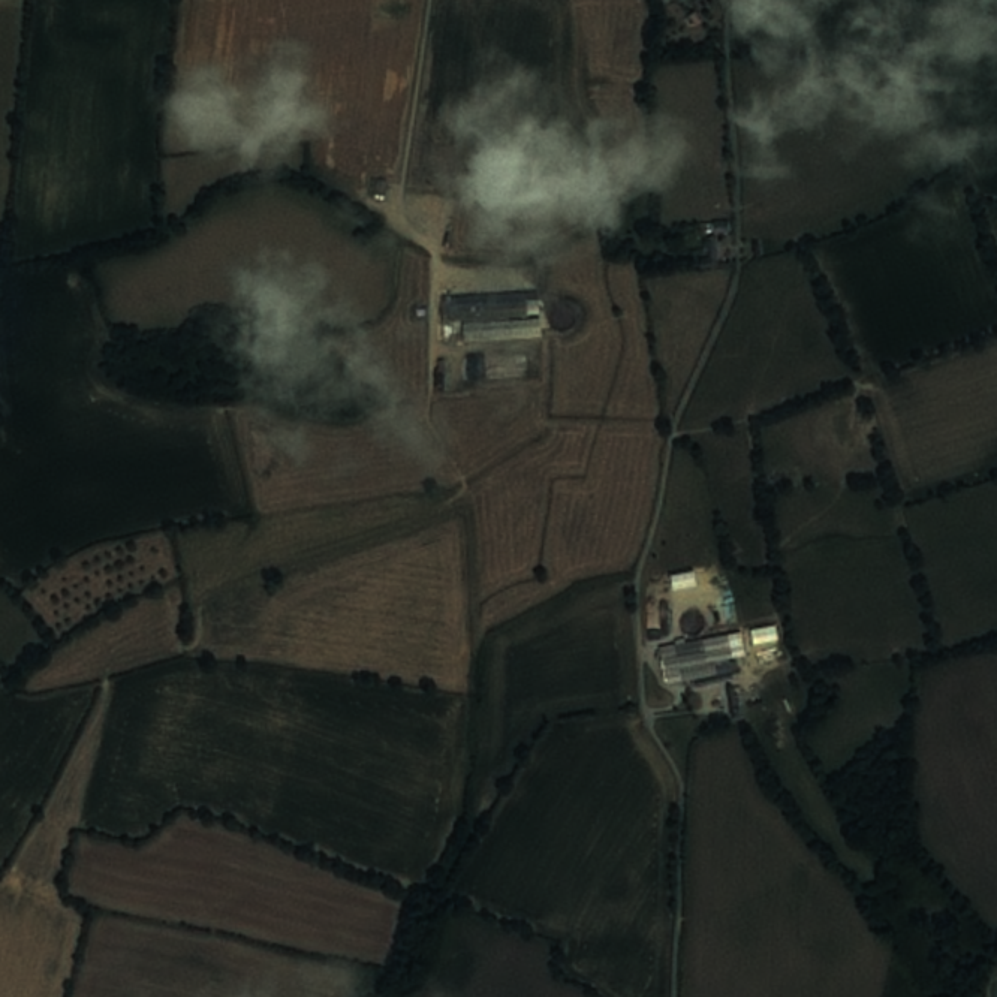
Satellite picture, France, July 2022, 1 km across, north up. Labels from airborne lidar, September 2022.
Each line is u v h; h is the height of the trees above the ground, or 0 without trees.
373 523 0
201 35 0
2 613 0
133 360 11
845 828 11
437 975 0
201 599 0
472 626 0
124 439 0
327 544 0
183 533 16
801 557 0
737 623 0
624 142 0
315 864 16
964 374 0
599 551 0
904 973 0
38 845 0
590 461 0
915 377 0
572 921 0
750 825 0
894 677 0
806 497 0
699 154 0
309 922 0
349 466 0
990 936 13
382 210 0
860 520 0
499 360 0
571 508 0
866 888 10
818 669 9
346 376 0
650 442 0
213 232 0
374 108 0
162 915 0
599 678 0
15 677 18
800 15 0
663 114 0
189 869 0
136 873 0
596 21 0
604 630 0
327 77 0
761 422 8
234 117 0
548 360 0
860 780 14
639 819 0
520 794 0
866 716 0
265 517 0
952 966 29
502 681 0
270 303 0
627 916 0
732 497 0
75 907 11
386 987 19
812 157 0
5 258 20
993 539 0
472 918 11
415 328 0
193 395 13
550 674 0
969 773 0
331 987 0
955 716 0
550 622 0
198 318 10
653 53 23
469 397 0
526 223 0
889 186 0
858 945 0
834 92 0
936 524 0
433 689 21
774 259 0
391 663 0
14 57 0
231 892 0
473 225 0
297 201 0
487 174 0
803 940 0
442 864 7
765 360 0
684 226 10
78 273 10
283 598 0
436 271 0
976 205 17
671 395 0
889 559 0
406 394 0
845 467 0
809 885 0
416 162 0
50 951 0
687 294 0
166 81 19
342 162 0
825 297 19
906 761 19
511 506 0
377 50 0
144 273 0
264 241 0
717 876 0
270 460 0
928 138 0
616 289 0
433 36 0
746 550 0
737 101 0
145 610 0
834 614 0
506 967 0
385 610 0
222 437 0
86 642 0
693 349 0
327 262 0
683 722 0
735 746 0
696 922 0
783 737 0
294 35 0
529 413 0
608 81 0
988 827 0
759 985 0
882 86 0
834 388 13
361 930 0
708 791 0
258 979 0
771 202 0
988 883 0
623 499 0
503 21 0
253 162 0
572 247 0
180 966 0
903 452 0
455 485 0
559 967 7
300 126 0
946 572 0
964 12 15
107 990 0
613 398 0
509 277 0
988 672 0
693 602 0
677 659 0
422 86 0
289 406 6
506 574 0
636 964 0
